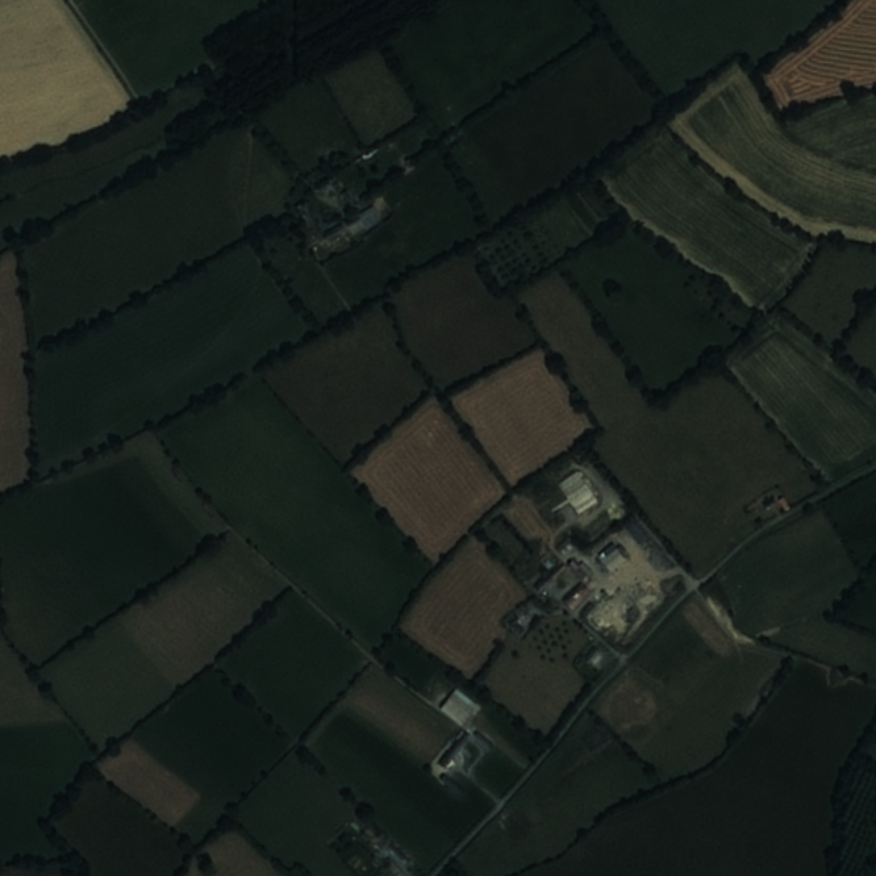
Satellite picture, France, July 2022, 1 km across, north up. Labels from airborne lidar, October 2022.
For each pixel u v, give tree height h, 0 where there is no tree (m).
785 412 0
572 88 0
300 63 18
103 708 0
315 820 0
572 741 0
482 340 0
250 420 0
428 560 6
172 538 0
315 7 13
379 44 18
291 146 0
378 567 0
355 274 0
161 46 0
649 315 0
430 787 0
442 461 0
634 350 0
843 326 0
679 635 0
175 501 0
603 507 0
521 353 6
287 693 0
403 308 0
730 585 0
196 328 0
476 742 0
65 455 0
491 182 0
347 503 0
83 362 0
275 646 0
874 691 0
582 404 20
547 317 0
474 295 0
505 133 0
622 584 0
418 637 0
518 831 0
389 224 0
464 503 0
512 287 10
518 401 0
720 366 21
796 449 9
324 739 0
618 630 0
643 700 0
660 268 0
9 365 0
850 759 8
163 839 0
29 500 0
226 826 16
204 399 12
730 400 0
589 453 18
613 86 0
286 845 0
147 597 16
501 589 0
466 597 0
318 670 0
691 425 0
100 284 0
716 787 0
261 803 0
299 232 8
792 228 14
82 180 0
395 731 0
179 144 12
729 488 0
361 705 0
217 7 0
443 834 0
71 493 0
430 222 0
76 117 0
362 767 0
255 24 13
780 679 12
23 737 0
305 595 10
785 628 0
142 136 0
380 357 0
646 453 0
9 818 0
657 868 0
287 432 0
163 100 17
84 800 0
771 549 0
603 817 11
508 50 0
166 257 0
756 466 0
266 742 0
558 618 0
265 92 24
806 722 0
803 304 0
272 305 0
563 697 0
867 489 0
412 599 11
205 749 0
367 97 0
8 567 0
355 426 0
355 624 0
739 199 12
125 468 0
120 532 0
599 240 15
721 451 0
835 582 0
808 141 0
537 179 0
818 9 0
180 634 0
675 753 0
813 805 0
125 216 0
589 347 0
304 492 0
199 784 0
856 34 0
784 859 0
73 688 0
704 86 13
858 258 0
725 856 0
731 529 0
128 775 0
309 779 0
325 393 0
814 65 0
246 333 0
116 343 0
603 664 0
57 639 0
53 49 0
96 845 0
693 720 0
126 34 0
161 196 0
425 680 0
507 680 0
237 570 0
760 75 13
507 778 0
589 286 0
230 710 0
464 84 0
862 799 26
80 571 0
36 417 8
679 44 0
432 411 0
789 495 0
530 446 0
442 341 0
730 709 0
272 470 0
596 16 16
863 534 0
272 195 0
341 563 0
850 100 23
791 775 0
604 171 17
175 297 0
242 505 0
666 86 0
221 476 0
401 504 0
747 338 18
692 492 0
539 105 0
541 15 0
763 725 0
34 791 0
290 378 0
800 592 0
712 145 0
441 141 12
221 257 8
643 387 7
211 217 0
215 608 0
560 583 0
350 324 18
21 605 0
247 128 7
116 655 0
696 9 0
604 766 0
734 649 0
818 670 0
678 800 0
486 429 0
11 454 0
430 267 8
